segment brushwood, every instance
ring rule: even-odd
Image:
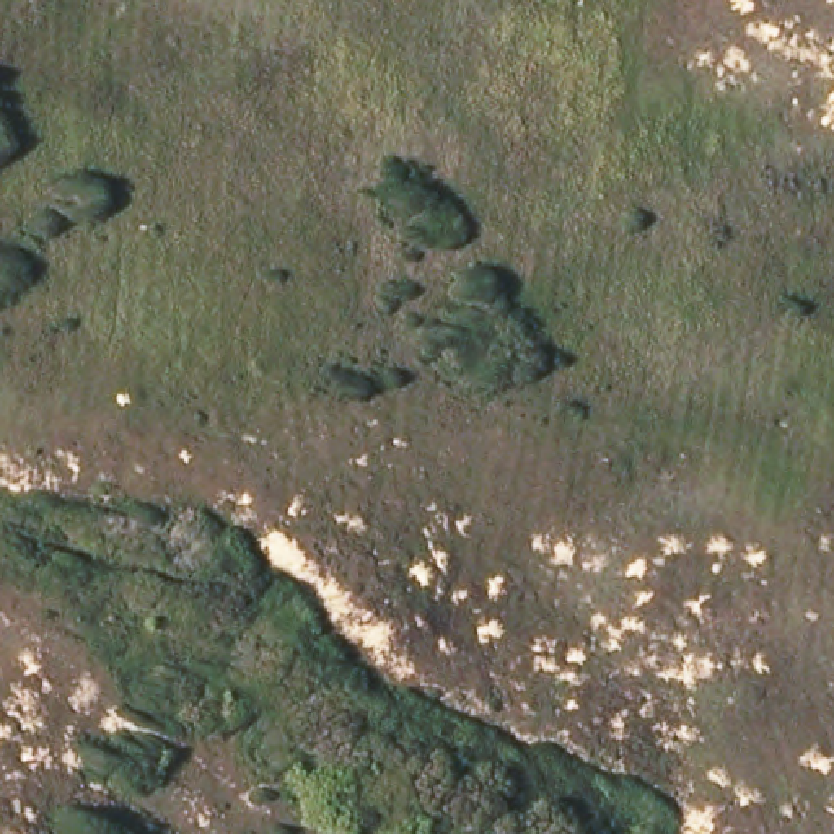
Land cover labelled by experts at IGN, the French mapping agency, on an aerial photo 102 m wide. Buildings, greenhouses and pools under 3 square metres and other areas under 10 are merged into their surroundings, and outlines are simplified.
[[[108,192],[104,209],[91,218],[91,225],[101,225],[127,209],[130,182],[104,169],[88,169],[88,179],[101,182]]]
[[[505,391],[525,391],[534,381],[551,378],[557,368],[573,365],[577,355],[551,342],[544,319],[534,313],[534,306],[521,300],[521,277],[505,264],[485,261],[466,270],[466,287],[456,300],[440,300],[437,316],[417,313],[410,326],[424,329],[427,349],[420,362],[443,358],[443,381],[459,384],[466,394],[492,394],[498,401],[498,394]]]
[[[0,309],[16,306],[36,283],[42,283],[49,264],[36,251],[0,238]]]
[[[476,212],[456,189],[433,176],[433,166],[391,156],[384,160],[381,182],[368,186],[365,195],[378,199],[381,228],[397,228],[404,235],[401,257],[424,261],[430,248],[459,251],[479,238]]]
[[[407,300],[424,293],[417,280],[388,280],[381,300],[391,309],[401,309]]]
[[[36,130],[23,111],[23,94],[16,91],[16,68],[0,65],[0,173],[7,173],[36,147]]]
[[[371,401],[384,391],[414,384],[410,368],[375,362],[368,371],[332,365],[319,371],[319,378],[342,401]]]
[[[52,814],[52,834],[117,834],[111,824],[85,811],[59,808]]]
[[[192,759],[192,746],[199,740],[212,733],[222,740],[231,736],[235,779],[244,788],[241,805],[254,814],[251,831],[244,834],[313,834],[300,827],[300,801],[287,788],[287,772],[293,772],[296,766],[316,782],[316,795],[329,805],[332,818],[349,818],[352,834],[681,834],[684,814],[671,792],[655,792],[639,775],[619,775],[583,759],[567,753],[560,743],[521,743],[505,726],[453,710],[440,697],[404,681],[391,678],[375,697],[365,687],[365,681],[355,678],[352,668],[342,665],[342,655],[329,639],[323,639],[316,616],[300,596],[303,583],[290,573],[283,586],[261,583],[248,551],[231,534],[209,538],[209,564],[176,567],[163,557],[163,541],[169,541],[173,525],[156,525],[150,515],[153,502],[143,502],[137,495],[117,502],[88,502],[65,498],[49,489],[29,492],[0,489],[0,583],[49,596],[52,606],[42,612],[46,629],[85,645],[88,655],[104,665],[104,674],[117,681],[117,710],[104,717],[104,726],[98,733],[75,736],[75,753],[81,759],[78,769],[85,772],[85,779],[101,782],[101,788],[114,792],[121,801],[127,801],[134,792],[153,795],[176,782],[182,766]]]

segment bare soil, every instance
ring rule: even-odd
[[[834,130],[834,62],[821,49],[805,49],[798,46],[798,39],[782,39],[779,29],[769,23],[746,26],[746,33],[762,39],[772,52],[821,68],[824,88],[831,91],[821,124]]]
[[[283,534],[267,534],[261,547],[267,551],[274,567],[290,573],[303,583],[309,583],[319,593],[339,632],[362,645],[371,665],[384,678],[391,678],[404,681],[414,674],[414,661],[388,642],[388,622],[378,622],[371,609],[352,603],[352,596],[336,580],[319,573],[316,560],[306,560],[303,551]]]
[[[557,642],[534,639],[534,668],[547,671],[557,681],[577,684],[577,671],[564,671],[554,661]]]
[[[629,632],[642,632],[648,639],[648,652],[639,652],[632,665],[626,665],[626,674],[639,678],[652,671],[665,681],[694,684],[713,674],[713,661],[694,655],[684,635],[655,632],[642,619],[612,622],[603,612],[596,612],[590,626],[606,632],[609,652],[622,645]]]
[[[20,456],[0,453],[0,489],[29,492],[29,466]]]
[[[658,573],[671,554],[681,551],[681,538],[661,538],[661,551],[655,557],[629,564],[629,577],[642,577],[645,570]]]
[[[658,723],[655,733],[661,749],[678,753],[684,743],[694,740],[691,726]]]
[[[538,554],[551,554],[557,564],[570,564],[570,544],[557,544],[547,534],[534,534],[531,547]]]
[[[502,710],[492,710],[476,687],[450,687],[440,697],[453,710],[505,726],[521,743],[560,743],[567,753],[583,759],[586,746],[570,736],[570,730],[544,723],[531,733],[531,704],[505,704]]]
[[[433,554],[433,560],[446,570],[446,551],[440,551],[437,534],[450,528],[450,515],[437,502],[427,502],[430,518],[424,528],[424,544]]]
[[[713,834],[713,808],[684,814],[681,834]]]
[[[13,694],[7,697],[7,713],[16,717],[26,730],[42,730],[42,717],[36,713],[33,694],[26,687],[13,687]]]

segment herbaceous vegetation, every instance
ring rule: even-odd
[[[342,655],[342,665],[352,668],[355,678],[365,681],[365,687],[375,697],[391,678],[384,678],[371,665],[362,645],[339,632],[319,593],[309,583],[303,583],[300,596],[316,616],[323,639],[329,639]]]
[[[153,502],[150,515],[156,525],[173,525],[169,541],[163,541],[163,557],[176,567],[209,564],[209,538],[231,534],[248,551],[261,583],[283,586],[290,573],[274,567],[267,551],[261,547],[267,534],[283,534],[303,551],[306,560],[316,560],[319,573],[336,580],[352,596],[352,603],[371,609],[378,622],[388,622],[388,642],[414,661],[414,674],[404,681],[440,697],[450,687],[476,687],[492,710],[502,710],[505,704],[531,704],[531,733],[544,723],[570,730],[570,736],[586,746],[583,759],[619,775],[639,775],[655,792],[671,792],[684,814],[713,808],[713,834],[834,834],[834,130],[821,124],[831,91],[824,88],[821,68],[772,52],[762,39],[746,33],[746,26],[769,23],[779,29],[782,39],[798,39],[798,46],[805,49],[821,49],[834,62],[834,0],[0,0],[0,65],[16,68],[16,91],[23,94],[23,111],[36,130],[36,147],[7,173],[0,173],[0,238],[36,251],[49,264],[42,283],[36,283],[16,306],[0,309],[0,453],[20,456],[29,466],[29,492],[49,489],[65,498],[88,502],[117,502],[137,495],[143,502]],[[404,235],[397,228],[381,228],[378,199],[365,195],[368,186],[381,182],[384,160],[391,156],[433,166],[433,176],[456,189],[476,212],[479,238],[459,251],[430,248],[424,261],[401,257]],[[130,182],[127,209],[101,225],[91,225],[91,218],[104,209],[108,192],[101,182],[88,179],[88,169],[104,169]],[[492,394],[466,394],[459,384],[443,381],[443,358],[420,362],[427,349],[424,329],[410,326],[417,313],[437,316],[440,300],[456,300],[466,287],[466,270],[485,261],[505,264],[521,277],[521,300],[534,306],[534,313],[544,319],[551,342],[577,355],[573,365],[557,368],[551,378],[534,381],[525,391],[505,391],[498,394],[498,401]],[[417,280],[424,293],[407,300],[401,309],[391,309],[381,300],[388,280]],[[375,362],[410,368],[414,384],[384,391],[371,401],[342,401],[319,378],[319,371],[332,365],[368,371]],[[433,554],[424,544],[424,528],[430,518],[427,502],[437,502],[450,515],[450,528],[437,534],[440,551],[446,551],[446,570],[433,560]],[[538,554],[531,547],[534,534],[547,534],[557,544],[570,544],[570,564],[557,564],[551,554]],[[645,570],[642,577],[629,577],[629,564],[655,557],[661,551],[661,538],[681,538],[681,551],[671,554],[658,573]],[[596,612],[603,612],[612,622],[642,619],[655,632],[684,635],[694,655],[713,661],[713,674],[694,684],[665,681],[652,671],[639,678],[626,674],[626,665],[632,665],[639,652],[648,652],[648,639],[642,632],[629,632],[622,645],[609,652],[606,632],[590,626]],[[534,639],[557,642],[554,661],[564,671],[577,671],[577,684],[557,681],[547,671],[534,668]],[[661,749],[655,733],[658,723],[691,726],[694,740],[684,743],[678,753]]]
[[[352,834],[349,818],[332,818],[329,805],[316,795],[316,782],[296,766],[293,772],[287,772],[287,788],[300,801],[300,827],[313,834]]]
[[[49,596],[0,583],[0,834],[52,834],[52,814],[59,808],[85,811],[111,824],[117,834],[244,834],[251,831],[254,814],[241,805],[244,788],[235,779],[231,736],[222,740],[212,733],[199,740],[192,746],[192,759],[182,766],[176,782],[153,795],[134,792],[127,801],[121,801],[114,792],[101,788],[101,782],[85,779],[85,772],[78,769],[81,759],[75,753],[75,736],[98,733],[104,726],[104,717],[117,710],[117,681],[104,674],[104,665],[88,655],[85,645],[46,629],[42,612],[52,606]],[[16,717],[7,713],[7,697],[13,694],[13,687],[26,687],[33,694],[36,713],[42,717],[42,730],[26,730]]]

